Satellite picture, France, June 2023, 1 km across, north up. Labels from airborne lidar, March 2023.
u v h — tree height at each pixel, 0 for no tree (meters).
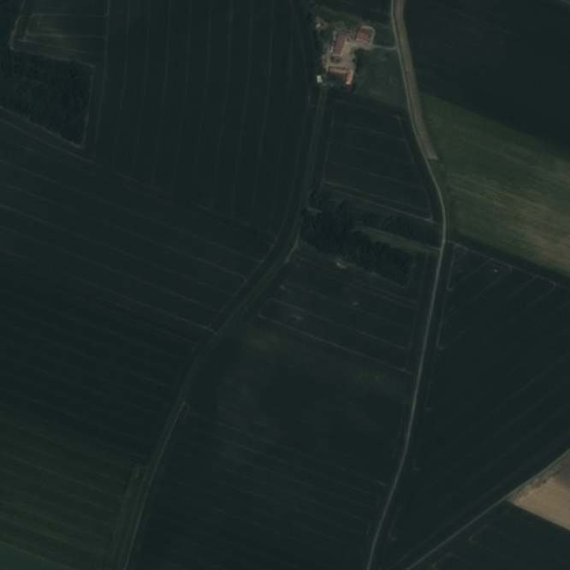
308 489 0
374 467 0
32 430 0
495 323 0
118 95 0
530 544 0
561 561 0
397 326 0
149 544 0
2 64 20
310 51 0
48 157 0
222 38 0
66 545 0
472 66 0
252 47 0
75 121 17
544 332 0
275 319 0
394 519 0
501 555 0
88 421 0
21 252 0
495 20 0
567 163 0
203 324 0
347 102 0
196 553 0
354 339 0
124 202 0
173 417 0
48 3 0
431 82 0
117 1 0
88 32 0
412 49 0
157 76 0
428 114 0
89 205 0
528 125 0
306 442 0
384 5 0
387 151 0
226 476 0
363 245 16
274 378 0
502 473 0
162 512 0
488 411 0
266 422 0
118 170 0
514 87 0
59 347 0
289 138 0
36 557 0
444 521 0
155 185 0
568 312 0
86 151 0
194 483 0
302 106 0
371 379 0
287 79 0
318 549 0
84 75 12
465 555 0
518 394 0
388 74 0
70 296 0
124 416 0
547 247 0
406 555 0
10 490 0
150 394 0
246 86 0
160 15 0
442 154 0
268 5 0
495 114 0
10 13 18
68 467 0
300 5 0
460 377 0
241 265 0
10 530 0
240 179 0
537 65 0
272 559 0
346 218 13
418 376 0
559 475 0
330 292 0
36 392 0
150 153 0
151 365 0
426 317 0
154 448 0
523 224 0
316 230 14
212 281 0
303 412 0
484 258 0
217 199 0
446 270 0
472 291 0
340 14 0
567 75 0
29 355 0
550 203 0
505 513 0
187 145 0
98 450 0
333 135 0
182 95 0
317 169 0
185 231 0
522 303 0
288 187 0
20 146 0
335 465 0
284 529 0
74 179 0
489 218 0
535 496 0
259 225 0
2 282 0
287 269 0
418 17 0
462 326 0
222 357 0
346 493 0
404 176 0
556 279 0
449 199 0
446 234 0
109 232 0
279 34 0
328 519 0
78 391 0
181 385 0
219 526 0
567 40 0
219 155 0
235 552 0
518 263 0
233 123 0
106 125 0
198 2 0
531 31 0
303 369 0
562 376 0
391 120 0
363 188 0
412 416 0
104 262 0
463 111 0
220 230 0
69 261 0
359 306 0
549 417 0
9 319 0
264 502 0
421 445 0
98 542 0
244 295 0
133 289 0
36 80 18
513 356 0
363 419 0
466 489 0
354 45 0
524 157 0
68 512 0
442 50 0
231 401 0
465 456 0
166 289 0
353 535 0
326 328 0
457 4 0
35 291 0
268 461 0
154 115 0
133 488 0
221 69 0
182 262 0
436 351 0
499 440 0
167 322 0
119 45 0
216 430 0
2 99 13
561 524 0
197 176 0
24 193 0
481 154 0
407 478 0
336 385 0
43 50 0
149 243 0
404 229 19
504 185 0
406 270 15
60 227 0
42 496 0
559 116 0
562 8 0
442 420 0
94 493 0
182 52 0
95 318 0
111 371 0
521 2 0
